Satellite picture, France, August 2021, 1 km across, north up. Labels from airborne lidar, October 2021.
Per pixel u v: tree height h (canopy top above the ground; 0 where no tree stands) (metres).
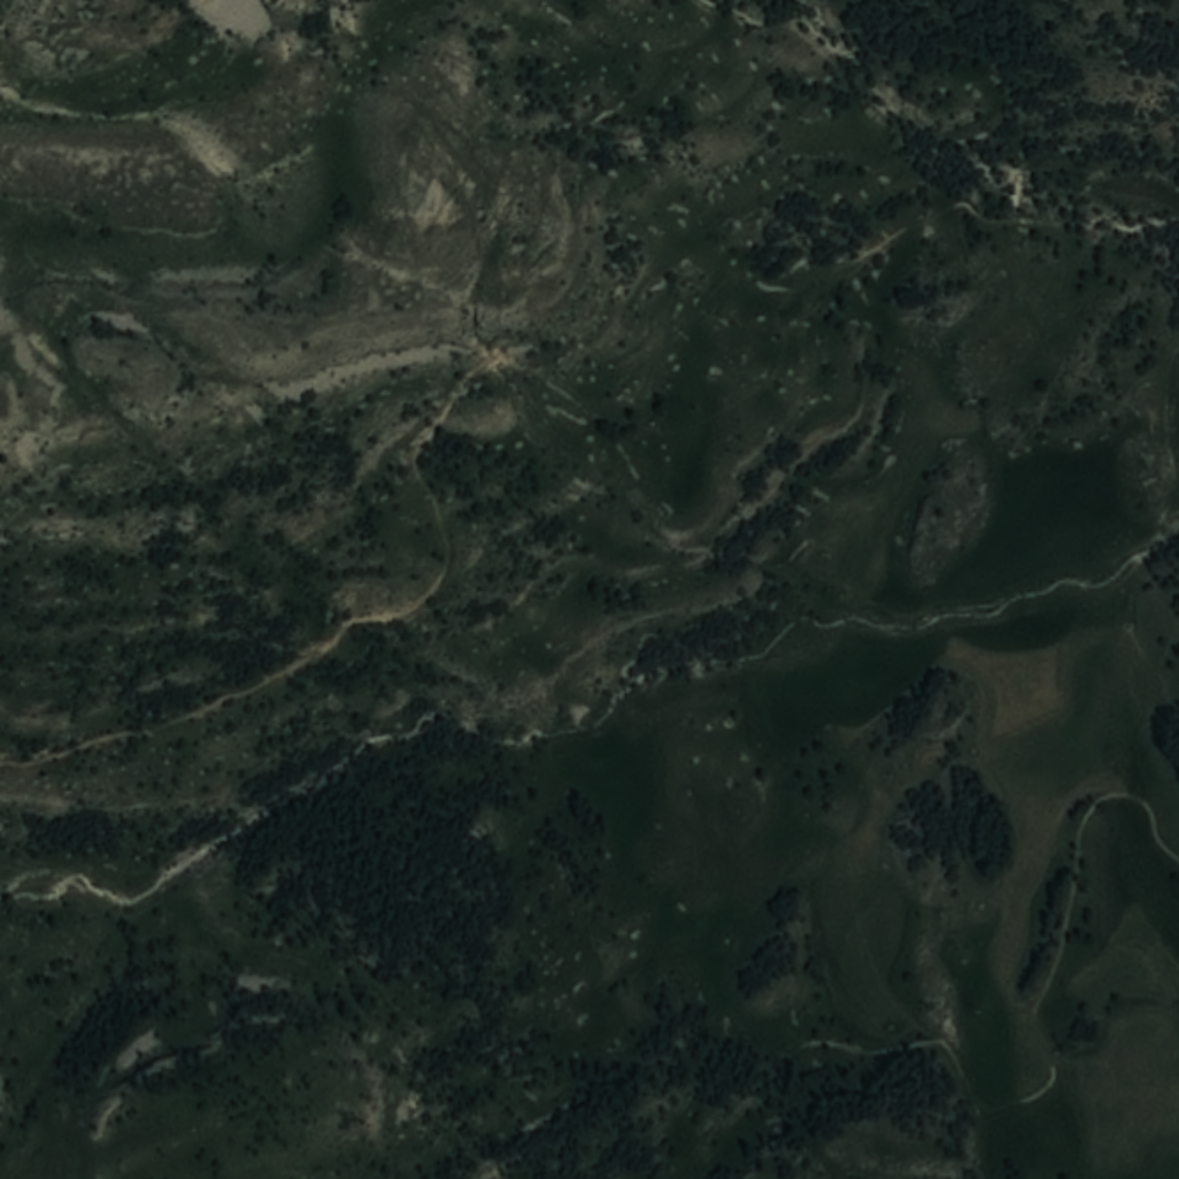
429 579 0
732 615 8
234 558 9
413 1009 0
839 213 8
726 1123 0
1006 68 9
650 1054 6
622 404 0
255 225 0
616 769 0
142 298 0
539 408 0
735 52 0
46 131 0
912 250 0
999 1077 0
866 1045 0
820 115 0
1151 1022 0
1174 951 0
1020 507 0
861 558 0
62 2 0
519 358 0
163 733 0
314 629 0
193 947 0
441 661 0
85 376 0
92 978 0
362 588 0
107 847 6
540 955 0
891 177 0
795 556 0
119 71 0
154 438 0
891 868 0
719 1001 0
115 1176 0
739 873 0
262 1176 0
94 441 0
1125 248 7
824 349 0
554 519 6
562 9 0
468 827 7
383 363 0
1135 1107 0
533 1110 0
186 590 7
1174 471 0
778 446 6
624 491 0
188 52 0
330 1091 0
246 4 0
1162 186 0
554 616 0
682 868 0
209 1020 0
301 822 11
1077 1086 0
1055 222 0
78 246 0
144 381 0
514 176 0
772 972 6
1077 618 0
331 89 0
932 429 0
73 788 0
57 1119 0
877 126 0
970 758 0
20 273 0
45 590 0
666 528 0
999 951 0
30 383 0
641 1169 10
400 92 0
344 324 0
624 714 0
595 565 0
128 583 0
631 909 0
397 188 0
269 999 6
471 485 6
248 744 0
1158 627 0
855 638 0
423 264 0
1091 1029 7
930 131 12
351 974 11
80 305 0
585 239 0
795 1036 0
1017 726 0
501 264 0
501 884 7
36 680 0
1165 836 0
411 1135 0
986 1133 0
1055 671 0
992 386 0
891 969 0
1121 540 0
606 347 0
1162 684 0
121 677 6
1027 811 0
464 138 0
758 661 0
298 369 0
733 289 0
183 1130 0
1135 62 8
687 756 0
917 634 0
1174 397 0
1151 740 0
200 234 0
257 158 0
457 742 8
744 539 13
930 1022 0
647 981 0
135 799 0
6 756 0
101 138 0
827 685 0
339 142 0
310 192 0
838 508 0
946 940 0
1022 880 0
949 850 10
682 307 0
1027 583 0
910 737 8
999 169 7
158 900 0
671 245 0
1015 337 0
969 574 0
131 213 0
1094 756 0
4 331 0
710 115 0
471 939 7
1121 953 0
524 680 0
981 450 0
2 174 0
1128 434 0
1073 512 0
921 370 0
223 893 0
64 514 0
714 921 0
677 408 0
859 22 16
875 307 0
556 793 0
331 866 8
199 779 0
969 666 0
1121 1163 0
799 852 0
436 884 7
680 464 0
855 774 0
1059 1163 0
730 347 0
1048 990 0
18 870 0
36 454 0
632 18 0
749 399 0
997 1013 0
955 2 15
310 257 0
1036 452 0
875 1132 0
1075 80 7
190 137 0
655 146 6
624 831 0
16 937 0
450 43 0
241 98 0
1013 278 0
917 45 21
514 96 0
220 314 0
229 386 0
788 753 0
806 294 0
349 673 8
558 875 0
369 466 0
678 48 0
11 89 0
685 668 8
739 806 0
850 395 0
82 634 0
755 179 0
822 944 0
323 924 6
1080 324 0
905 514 0
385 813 10
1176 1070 0
